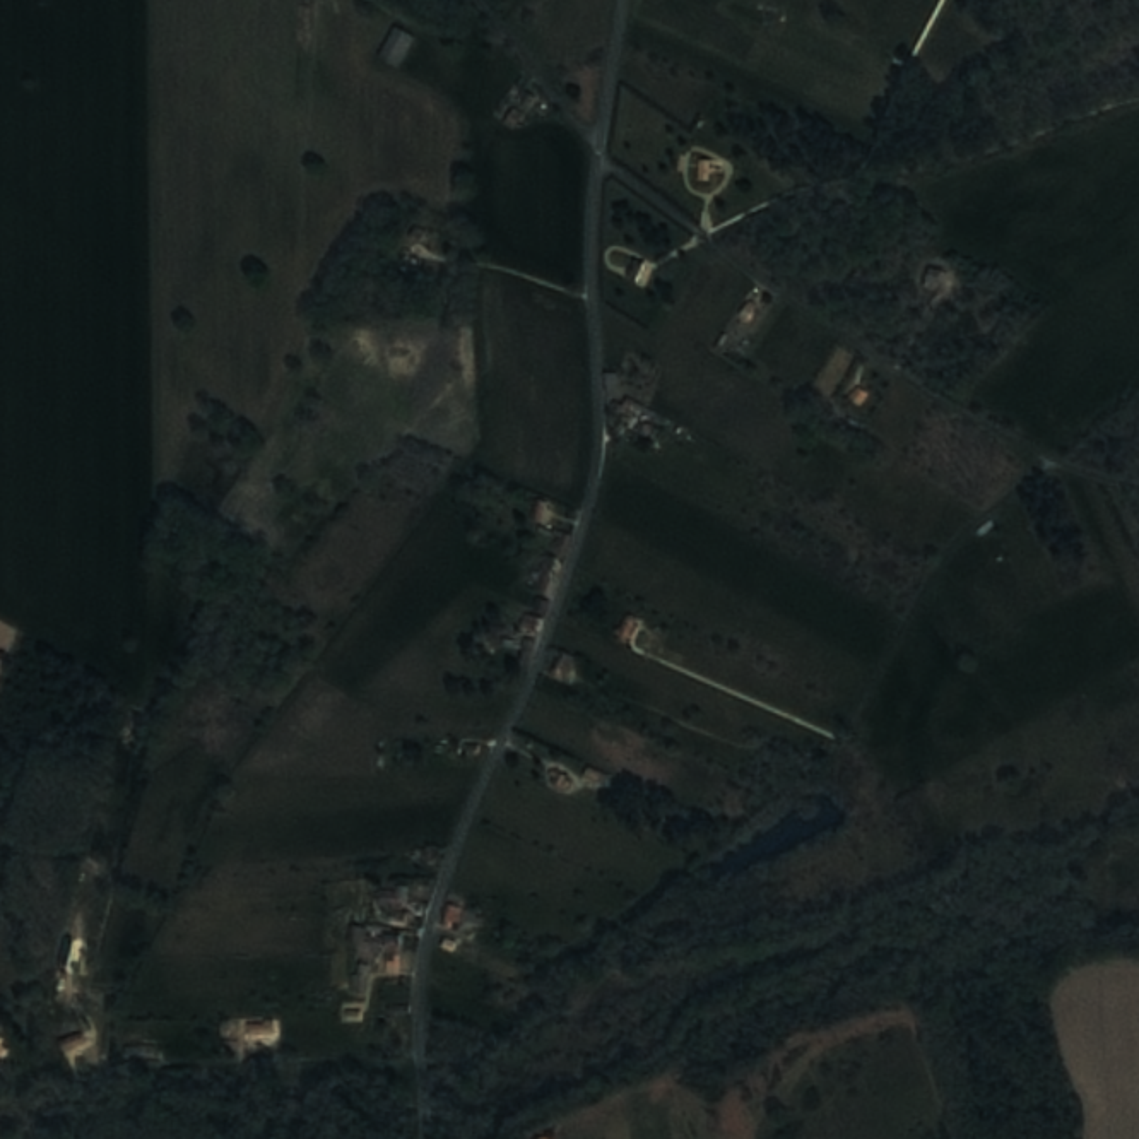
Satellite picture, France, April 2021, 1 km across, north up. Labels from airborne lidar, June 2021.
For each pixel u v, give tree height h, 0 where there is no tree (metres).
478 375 0
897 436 0
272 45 0
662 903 18
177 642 0
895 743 0
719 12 0
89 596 0
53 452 0
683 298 0
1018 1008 14
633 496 0
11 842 14
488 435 0
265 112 0
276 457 0
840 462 0
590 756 0
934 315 17
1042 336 0
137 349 0
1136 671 0
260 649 13
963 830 0
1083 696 0
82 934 0
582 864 0
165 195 0
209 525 28
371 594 0
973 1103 17
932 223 15
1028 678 0
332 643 0
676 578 0
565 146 0
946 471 12
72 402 0
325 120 0
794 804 13
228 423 18
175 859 0
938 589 0
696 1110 0
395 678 0
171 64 0
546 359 0
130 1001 14
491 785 0
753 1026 23
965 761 0
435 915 0
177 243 0
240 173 0
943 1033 16
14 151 0
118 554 0
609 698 14
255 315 0
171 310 0
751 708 0
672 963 20
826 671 0
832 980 21
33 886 20
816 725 0
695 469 0
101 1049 0
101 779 18
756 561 0
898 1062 0
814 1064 0
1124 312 0
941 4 0
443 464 24
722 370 0
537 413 0
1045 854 21
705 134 0
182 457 0
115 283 0
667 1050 17
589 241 0
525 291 0
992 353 16
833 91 0
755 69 0
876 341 17
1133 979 0
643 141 0
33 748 18
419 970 0
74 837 21
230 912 0
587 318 0
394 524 0
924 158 16
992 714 0
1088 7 13
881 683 0
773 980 27
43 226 0
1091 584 0
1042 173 0
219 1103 22
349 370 0
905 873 0
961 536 0
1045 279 0
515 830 0
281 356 0
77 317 0
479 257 11
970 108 23
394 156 0
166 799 0
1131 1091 0
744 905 14
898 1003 14
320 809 0
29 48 0
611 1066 8
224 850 0
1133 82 16
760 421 0
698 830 19
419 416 0
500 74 0
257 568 23
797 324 0
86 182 0
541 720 0
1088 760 0
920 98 20
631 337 0
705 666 0
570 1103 24
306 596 0
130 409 0
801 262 26
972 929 22
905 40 0
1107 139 0
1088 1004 0
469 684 11
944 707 0
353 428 0
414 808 0
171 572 14
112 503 0
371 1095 21
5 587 0
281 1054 16
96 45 0
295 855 0
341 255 18
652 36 0
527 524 10
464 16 21
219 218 0
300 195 0
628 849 0
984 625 0
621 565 0
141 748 9
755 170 0
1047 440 0
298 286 0
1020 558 0
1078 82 17
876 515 0
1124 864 0
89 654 0
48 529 0
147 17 0
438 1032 13
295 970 0
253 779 0
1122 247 0
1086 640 0
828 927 21
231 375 0
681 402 0
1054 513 20
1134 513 8
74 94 0
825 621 0
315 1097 24
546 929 0
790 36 0
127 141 0
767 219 7
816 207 17
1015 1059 16
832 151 18
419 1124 12
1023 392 0
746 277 0
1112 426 11
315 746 0
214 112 0
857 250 23
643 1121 0
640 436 8
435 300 24
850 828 11
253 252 0
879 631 0
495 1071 21
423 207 12
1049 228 0
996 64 17
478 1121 22
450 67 0
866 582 6
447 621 0
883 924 20
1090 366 0
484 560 0
